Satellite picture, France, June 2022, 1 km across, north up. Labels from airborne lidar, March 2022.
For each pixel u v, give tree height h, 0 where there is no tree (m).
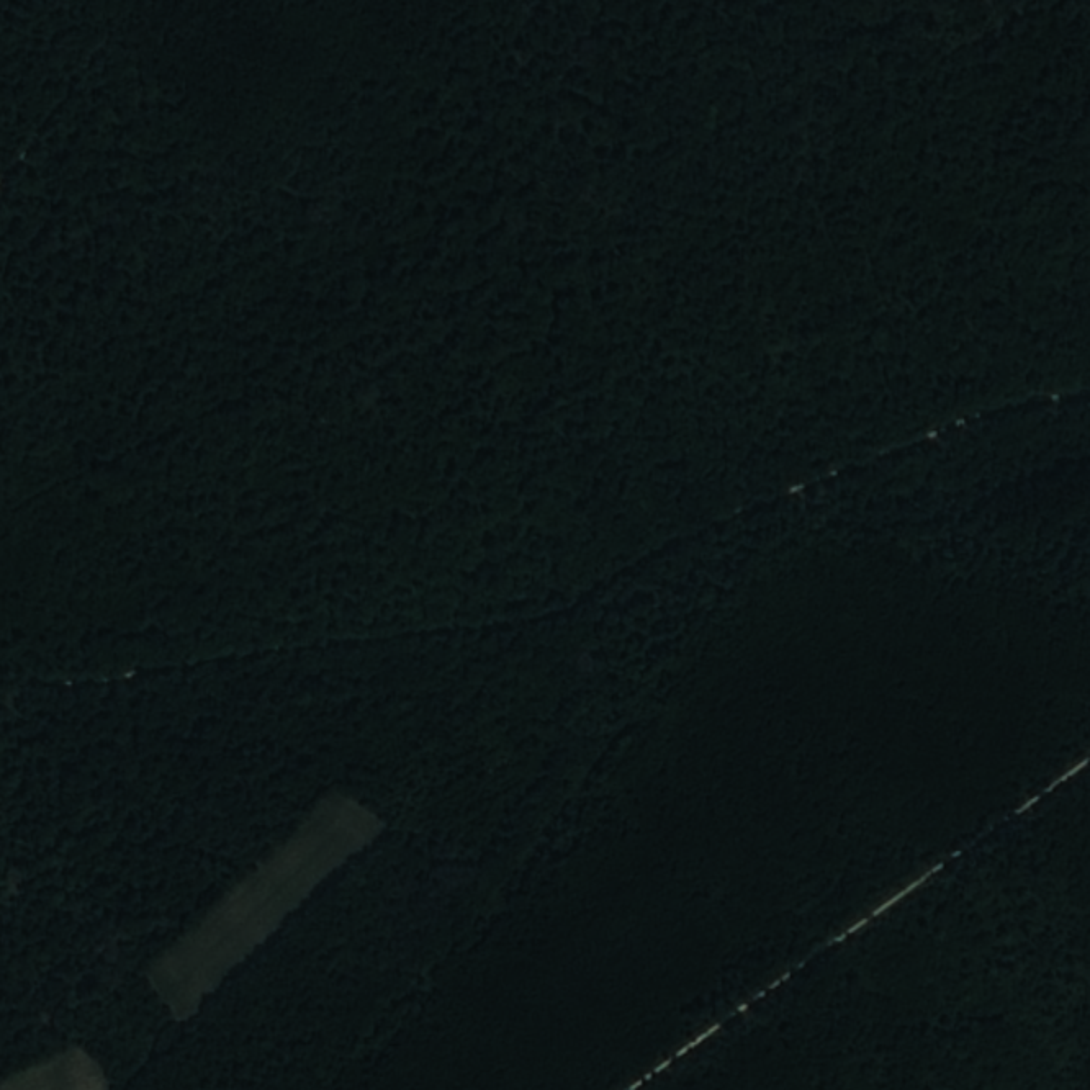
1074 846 10
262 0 18
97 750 21
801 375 19
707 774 6
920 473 19
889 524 24
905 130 14
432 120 11
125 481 18
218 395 9
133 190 21
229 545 18
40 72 15
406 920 19
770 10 15
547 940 9
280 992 15
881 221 16
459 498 15
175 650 21
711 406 16
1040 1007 9
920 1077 17
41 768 21
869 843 8
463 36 20
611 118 17
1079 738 7
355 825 0
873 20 0
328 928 18
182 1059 19
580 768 18
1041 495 37
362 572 16
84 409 18
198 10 16
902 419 17
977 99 7
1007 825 14
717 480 20
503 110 21
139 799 19
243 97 11
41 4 18
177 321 7
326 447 7
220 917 0
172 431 19
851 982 22
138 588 8
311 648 17
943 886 10
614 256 17
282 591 16
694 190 22
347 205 19
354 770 19
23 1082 0
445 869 20
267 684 18
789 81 16
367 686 18
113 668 19
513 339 19
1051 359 18
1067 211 18
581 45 20
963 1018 13
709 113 21
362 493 6
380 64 12
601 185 20
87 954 16
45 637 18
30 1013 17
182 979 0
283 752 10
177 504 15
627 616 23
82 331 17
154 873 21
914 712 8
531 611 16
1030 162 18
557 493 17
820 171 18
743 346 15
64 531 12
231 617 16
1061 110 25
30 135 10
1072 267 21
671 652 26
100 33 17
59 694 20
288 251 19
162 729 19
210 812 19
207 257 15
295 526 17
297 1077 19
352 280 23
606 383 15
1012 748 8
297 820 12
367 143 23
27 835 22
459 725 19
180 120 18
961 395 19
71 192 18
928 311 19
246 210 9
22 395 17
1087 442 19
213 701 21
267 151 6
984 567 23
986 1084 13
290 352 21
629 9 21
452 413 19
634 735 12
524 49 25
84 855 19
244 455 16
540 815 19
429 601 17
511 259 20
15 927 24
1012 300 21
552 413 22
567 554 18
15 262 22
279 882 0
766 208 13
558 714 14
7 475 18
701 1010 20
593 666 23
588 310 17
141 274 16
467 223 20
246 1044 10
